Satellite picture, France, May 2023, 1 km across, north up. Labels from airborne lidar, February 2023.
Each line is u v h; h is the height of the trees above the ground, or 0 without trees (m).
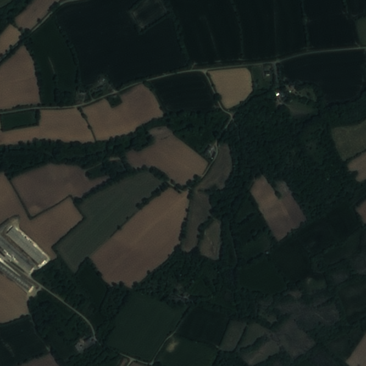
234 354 13
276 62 0
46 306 18
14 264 0
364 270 0
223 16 0
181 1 0
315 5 0
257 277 0
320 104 17
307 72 0
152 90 13
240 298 12
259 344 11
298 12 0
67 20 0
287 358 7
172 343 0
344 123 7
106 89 0
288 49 0
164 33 0
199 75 0
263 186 0
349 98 0
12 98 0
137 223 0
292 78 0
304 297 9
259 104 7
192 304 16
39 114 10
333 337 6
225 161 0
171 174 0
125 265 0
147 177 0
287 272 0
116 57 0
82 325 9
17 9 10
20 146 15
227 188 10
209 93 0
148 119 0
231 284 10
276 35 0
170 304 12
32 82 0
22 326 0
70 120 0
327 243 0
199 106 0
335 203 8
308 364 0
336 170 6
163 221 0
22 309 0
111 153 14
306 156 9
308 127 19
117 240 0
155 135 0
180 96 0
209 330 0
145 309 0
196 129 17
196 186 13
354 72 0
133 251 0
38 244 0
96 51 0
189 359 0
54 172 0
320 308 7
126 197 0
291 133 13
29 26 0
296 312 0
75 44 0
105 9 0
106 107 0
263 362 7
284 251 0
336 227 0
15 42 0
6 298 0
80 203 14
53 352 13
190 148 0
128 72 0
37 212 0
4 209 0
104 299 7
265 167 7
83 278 0
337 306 7
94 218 0
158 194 13
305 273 0
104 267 0
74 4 0
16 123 0
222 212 7
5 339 0
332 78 0
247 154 14
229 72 0
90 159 19
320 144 7
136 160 0
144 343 0
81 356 7
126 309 0
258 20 0
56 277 11
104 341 11
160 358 0
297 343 0
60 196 0
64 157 7
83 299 8
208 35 0
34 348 0
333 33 0
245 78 0
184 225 15
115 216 0
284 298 6
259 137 8
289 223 0
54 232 0
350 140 0
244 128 9
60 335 15
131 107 0
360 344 0
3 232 0
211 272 0
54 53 0
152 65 0
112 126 0
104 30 0
